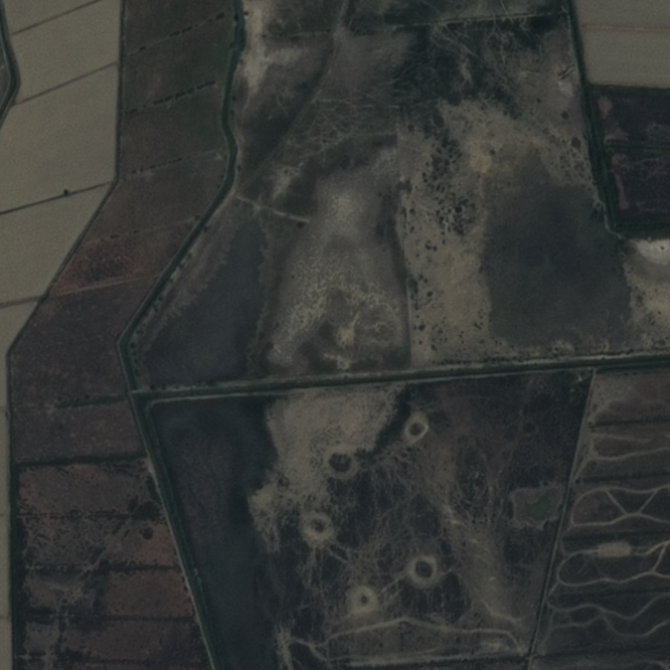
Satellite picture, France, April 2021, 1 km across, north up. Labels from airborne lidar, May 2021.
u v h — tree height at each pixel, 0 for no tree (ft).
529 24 0
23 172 0
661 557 0
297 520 0
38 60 0
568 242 0
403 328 0
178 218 0
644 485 0
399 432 0
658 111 0
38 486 0
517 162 0
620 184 0
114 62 0
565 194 0
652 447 0
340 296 0
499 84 0
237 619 0
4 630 0
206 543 0
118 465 0
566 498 0
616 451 0
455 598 0
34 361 0
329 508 0
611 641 0
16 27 0
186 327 0
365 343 0
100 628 0
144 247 0
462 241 0
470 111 0
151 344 0
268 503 0
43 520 0
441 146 0
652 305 0
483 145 0
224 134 0
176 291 0
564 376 0
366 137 0
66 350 0
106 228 0
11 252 0
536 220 0
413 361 0
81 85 0
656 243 0
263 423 0
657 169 0
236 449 0
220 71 0
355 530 0
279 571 0
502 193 0
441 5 0
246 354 0
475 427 0
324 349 0
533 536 0
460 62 0
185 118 0
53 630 0
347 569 0
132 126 0
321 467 0
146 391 0
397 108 0
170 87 0
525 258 0
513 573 0
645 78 0
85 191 0
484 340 0
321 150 0
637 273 0
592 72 0
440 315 0
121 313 0
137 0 0
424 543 0
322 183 0
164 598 0
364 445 0
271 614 0
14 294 0
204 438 0
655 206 0
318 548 0
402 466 0
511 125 0
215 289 0
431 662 0
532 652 0
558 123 0
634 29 0
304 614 0
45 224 0
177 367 0
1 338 0
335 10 0
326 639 0
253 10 0
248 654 0
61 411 0
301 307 0
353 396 0
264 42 0
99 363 0
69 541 0
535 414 0
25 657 0
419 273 0
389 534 0
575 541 0
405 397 0
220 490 0
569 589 0
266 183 0
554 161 0
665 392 0
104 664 0
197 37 0
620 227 19
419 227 0
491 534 0
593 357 0
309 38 0
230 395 0
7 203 0
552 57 0
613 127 0
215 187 0
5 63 0
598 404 0
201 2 0
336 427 0
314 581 0
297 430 0
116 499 0
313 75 0
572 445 0
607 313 0
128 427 0
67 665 0
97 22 0
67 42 0
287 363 0
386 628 0
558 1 0
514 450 0
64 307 0
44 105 0
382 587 0
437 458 0
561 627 0
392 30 0
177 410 0
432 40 0
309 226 0
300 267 0
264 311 0
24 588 0
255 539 0
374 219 0
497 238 0
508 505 0
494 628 0
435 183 0
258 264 0
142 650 0
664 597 0
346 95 0
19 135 0
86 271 0
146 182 0
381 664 0
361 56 0
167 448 0
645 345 0
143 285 0
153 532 0
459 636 0
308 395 0
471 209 0
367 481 0
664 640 0
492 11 0
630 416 0
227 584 0
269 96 0
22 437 0
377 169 0
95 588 0
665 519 0
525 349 0
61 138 0
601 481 0
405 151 0
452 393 0
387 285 0
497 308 0
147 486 0
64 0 0
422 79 0
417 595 0
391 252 0
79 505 0
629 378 0
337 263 0
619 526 0
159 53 0
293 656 0
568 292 0
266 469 0
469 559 0
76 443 0
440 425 0
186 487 0
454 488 0
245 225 0
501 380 0
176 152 0
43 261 0
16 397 0
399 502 0
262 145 0
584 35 0
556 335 0
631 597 0
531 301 0
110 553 0
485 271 0
